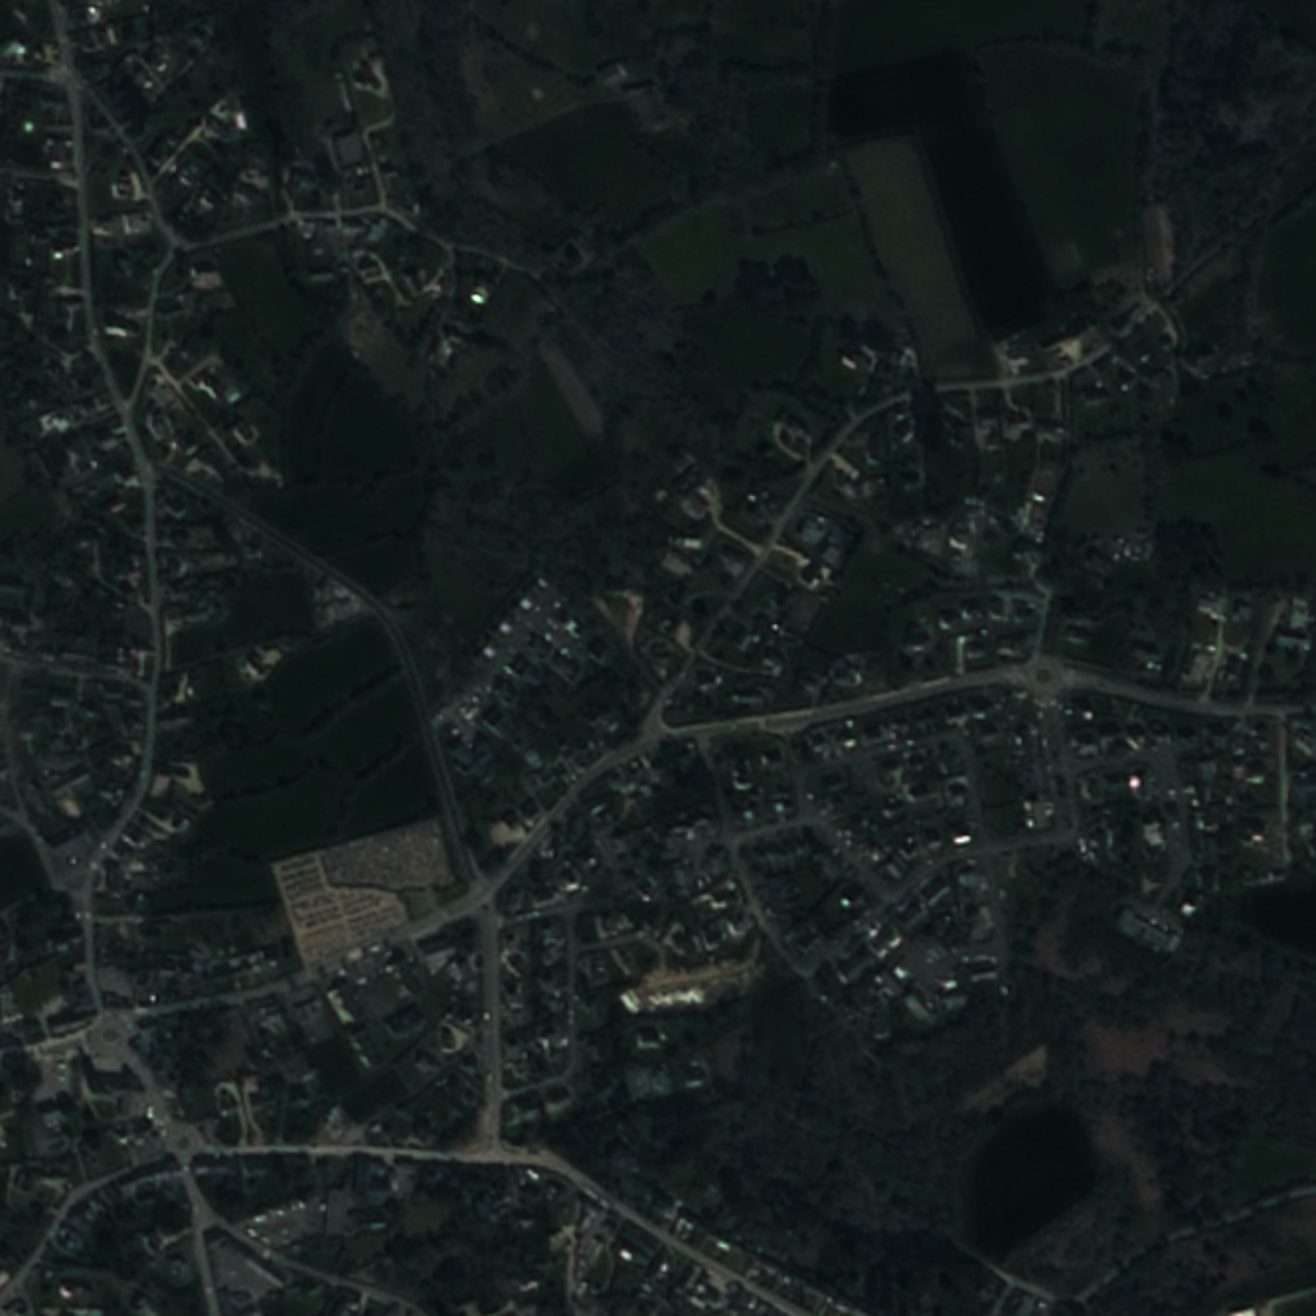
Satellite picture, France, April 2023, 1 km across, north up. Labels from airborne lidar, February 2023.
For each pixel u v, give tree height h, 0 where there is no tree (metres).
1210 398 0
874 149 0
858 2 0
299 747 0
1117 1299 12
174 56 0
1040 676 0
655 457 0
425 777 0
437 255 12
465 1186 10
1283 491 0
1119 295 7
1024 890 0
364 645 0
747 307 12
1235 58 22
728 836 0
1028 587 10
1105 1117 0
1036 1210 0
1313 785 0
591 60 0
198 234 16
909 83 0
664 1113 16
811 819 0
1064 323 0
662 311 15
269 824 0
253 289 0
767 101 0
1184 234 16
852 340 16
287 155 18
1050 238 0
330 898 0
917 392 13
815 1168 13
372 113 0
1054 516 6
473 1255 14
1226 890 9
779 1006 0
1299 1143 7
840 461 0
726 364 0
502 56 0
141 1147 0
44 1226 14
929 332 0
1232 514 0
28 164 0
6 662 0
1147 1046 0
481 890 0
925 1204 9
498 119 0
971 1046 14
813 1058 11
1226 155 16
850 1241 25
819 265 0
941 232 0
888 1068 9
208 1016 9
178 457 0
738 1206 20
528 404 0
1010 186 0
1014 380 0
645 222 9
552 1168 0
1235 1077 9
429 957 0
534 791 0
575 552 0
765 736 0
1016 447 0
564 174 0
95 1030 0
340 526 0
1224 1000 12
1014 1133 0
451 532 6
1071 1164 0
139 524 8
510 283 0
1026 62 0
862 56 0
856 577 0
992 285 0
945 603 0
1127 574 0
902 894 0
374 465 0
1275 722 0
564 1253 0
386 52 15
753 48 0
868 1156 13
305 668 0
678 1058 11
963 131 0
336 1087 0
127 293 0
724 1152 14
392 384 0
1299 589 13
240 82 9
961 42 0
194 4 10
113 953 9
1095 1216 7
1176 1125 15
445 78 17
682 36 9
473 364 0
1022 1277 9
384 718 0
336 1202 0
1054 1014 12
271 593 0
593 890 0
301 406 0
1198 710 0
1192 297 0
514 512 9
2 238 14
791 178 9
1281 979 10
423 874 0
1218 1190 8
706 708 6
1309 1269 0
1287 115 11
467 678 16
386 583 0
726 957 0
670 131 0
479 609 0
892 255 0
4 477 0
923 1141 14
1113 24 0
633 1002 0
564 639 0
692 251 0
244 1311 0
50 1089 0
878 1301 15
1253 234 14
